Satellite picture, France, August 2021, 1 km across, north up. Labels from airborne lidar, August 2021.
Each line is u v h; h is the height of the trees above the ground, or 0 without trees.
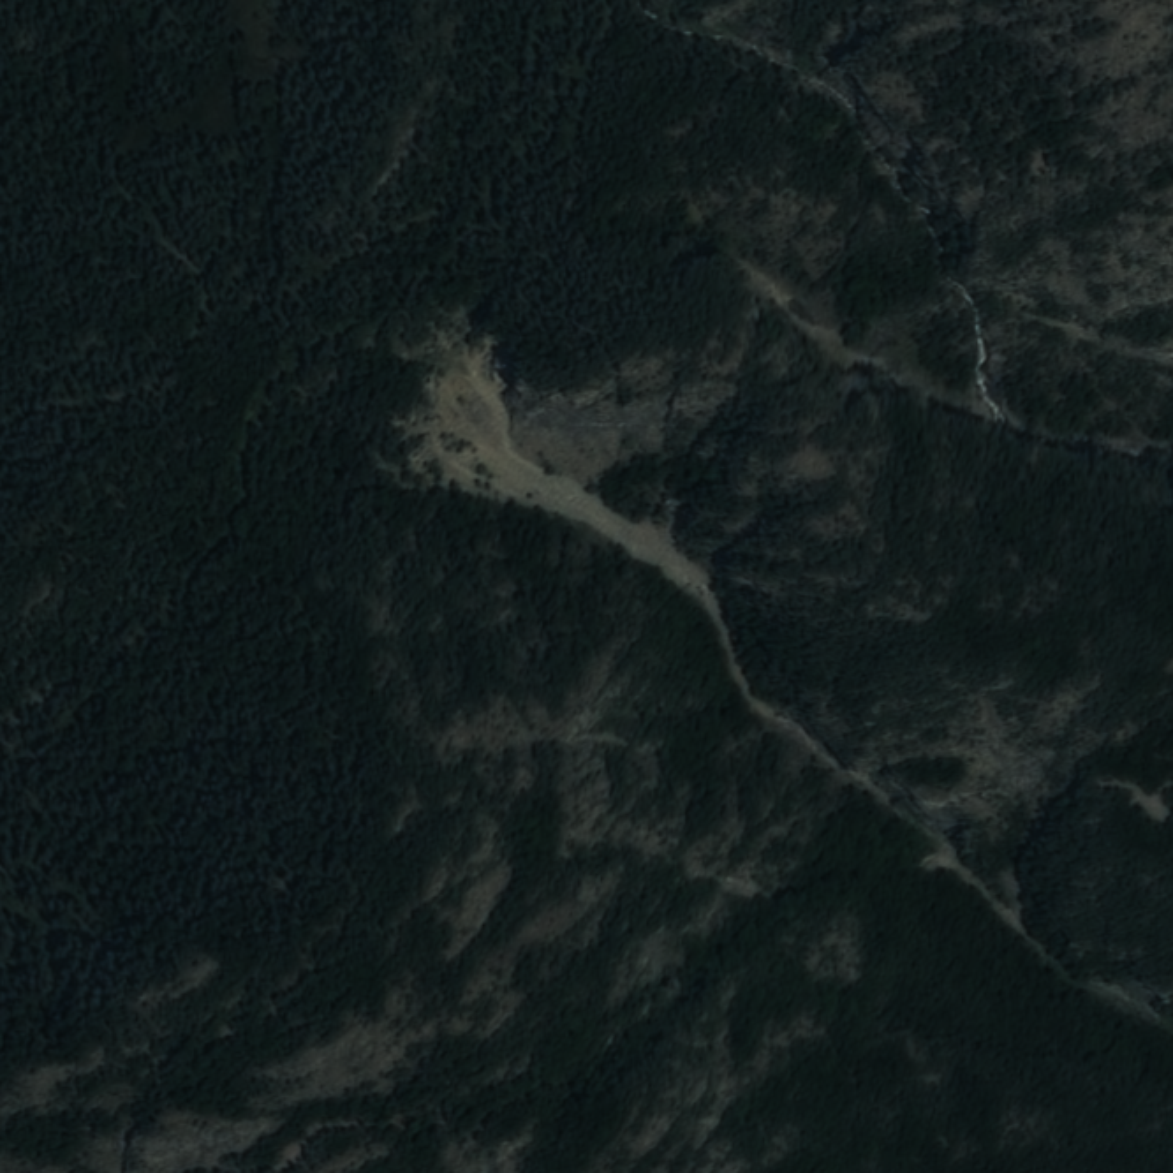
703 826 16
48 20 23
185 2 13
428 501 16
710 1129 6
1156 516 8
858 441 9
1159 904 10
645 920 15
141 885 20
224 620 19
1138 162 17
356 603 9
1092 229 13
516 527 17
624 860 11
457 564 8
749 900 8
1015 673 12
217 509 7
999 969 19
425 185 21
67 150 9
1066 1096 16
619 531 0
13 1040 25
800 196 11
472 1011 9
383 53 7
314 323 17
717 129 19
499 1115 18
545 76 20
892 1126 13
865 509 8
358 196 13
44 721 24
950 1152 10
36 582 10
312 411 8
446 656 10
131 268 7
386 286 18
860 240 16
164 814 17
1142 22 0
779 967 21
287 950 15
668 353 9
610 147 17
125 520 18
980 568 10
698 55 14
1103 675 14
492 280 19
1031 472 11
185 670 24
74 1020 15
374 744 16
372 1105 23
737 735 10
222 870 25
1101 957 7
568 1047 18
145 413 21
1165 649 17
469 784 12
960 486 7
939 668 15
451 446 6
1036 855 18
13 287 11
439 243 23
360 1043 0
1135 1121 12
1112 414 14
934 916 18
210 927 19
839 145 13
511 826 10
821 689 21
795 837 15
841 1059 23
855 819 17
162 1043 22
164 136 18
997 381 8
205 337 10
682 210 20
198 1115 6
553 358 14
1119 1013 10
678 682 18
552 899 11
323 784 17
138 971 19
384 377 25
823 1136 14
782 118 7
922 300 10
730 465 14
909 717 9
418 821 14
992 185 17
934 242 38
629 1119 9
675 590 18
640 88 17
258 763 21
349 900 11
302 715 21
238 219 22
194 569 8
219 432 19
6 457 11
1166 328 12
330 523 20
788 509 15
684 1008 21
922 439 19
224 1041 19
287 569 7
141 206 18
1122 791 17
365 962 19
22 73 17
